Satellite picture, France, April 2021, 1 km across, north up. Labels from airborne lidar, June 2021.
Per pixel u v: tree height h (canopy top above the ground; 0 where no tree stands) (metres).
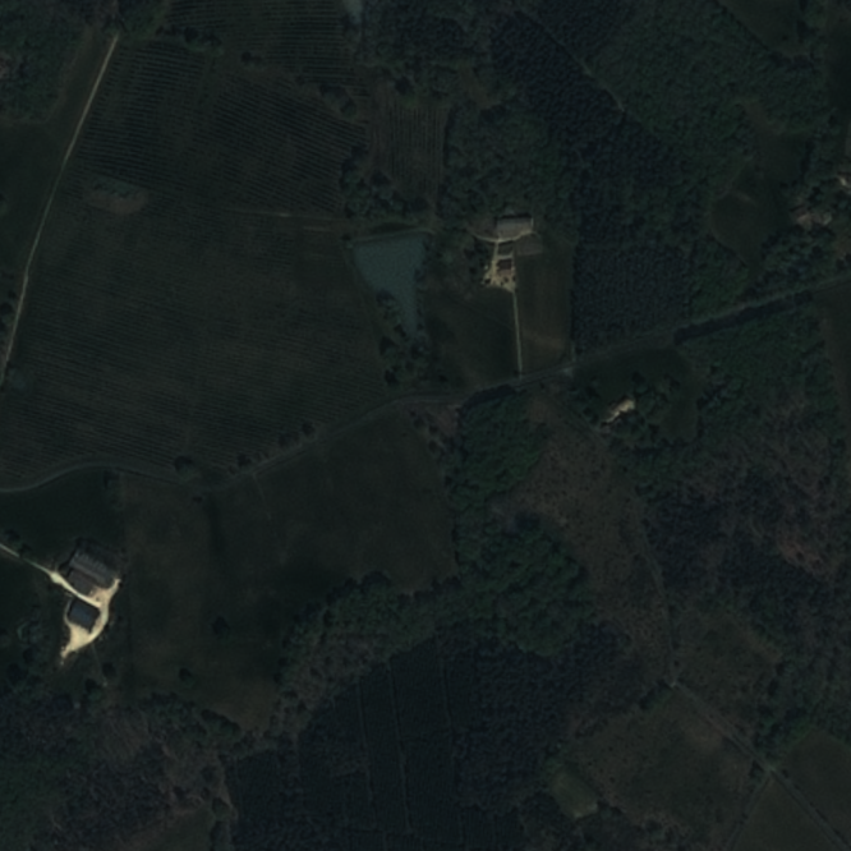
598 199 25
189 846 0
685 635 7
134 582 0
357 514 0
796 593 6
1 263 0
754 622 9
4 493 0
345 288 0
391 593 19
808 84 19
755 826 0
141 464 0
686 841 7
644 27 23
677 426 0
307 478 0
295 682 8
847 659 11
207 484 0
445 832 15
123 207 0
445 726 18
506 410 22
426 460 0
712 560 6
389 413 0
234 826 15
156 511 0
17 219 0
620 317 18
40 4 19
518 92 22
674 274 16
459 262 0
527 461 17
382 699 17
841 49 0
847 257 0
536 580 10
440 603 21
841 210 11
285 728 12
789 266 14
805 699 20
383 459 0
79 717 22
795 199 6
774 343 20
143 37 20
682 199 19
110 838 20
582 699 21
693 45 25
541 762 24
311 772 17
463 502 25
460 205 21
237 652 0
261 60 12
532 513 7
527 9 13
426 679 17
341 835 13
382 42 20
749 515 12
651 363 0
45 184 0
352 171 18
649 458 16
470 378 0
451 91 19
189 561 0
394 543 0
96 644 0
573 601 10
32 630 8
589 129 23
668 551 8
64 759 22
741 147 19
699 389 0
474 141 26
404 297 0
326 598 0
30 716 25
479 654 17
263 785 13
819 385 26
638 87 24
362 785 13
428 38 21
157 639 0
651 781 0
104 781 21
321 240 0
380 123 0
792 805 0
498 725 22
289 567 0
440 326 0
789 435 18
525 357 0
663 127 21
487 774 23
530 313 0
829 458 17
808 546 13
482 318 0
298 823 25
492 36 14
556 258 0
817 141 17
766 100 24
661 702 17
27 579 0
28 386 0
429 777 15
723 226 0
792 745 17
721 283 18
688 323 12
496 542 18
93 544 10
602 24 20
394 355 21
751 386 21
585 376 0
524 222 0
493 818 13
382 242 0
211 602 0
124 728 19
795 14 0
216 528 0
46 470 0
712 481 13
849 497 16
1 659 0
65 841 22
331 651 11
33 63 18
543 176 22
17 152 0
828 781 0
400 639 19
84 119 0
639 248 14
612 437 11
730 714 6
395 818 12
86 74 0
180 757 14
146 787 21
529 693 25
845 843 12
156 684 0
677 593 7
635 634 6
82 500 0
